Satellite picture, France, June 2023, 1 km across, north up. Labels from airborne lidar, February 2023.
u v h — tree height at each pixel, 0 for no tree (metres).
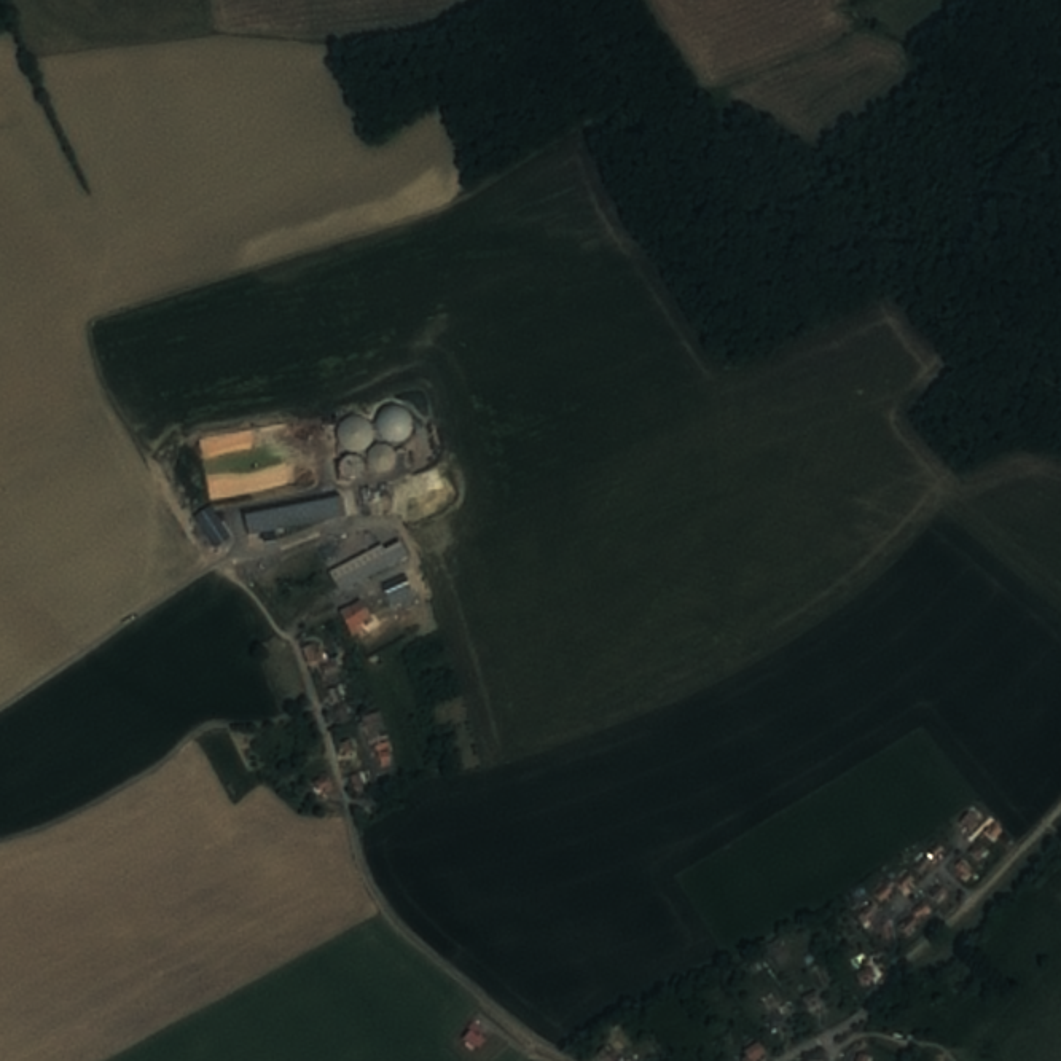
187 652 0
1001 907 16
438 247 0
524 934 0
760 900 0
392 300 0
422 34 21
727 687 0
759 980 0
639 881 0
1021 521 0
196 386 0
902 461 0
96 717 0
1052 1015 0
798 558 0
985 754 0
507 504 0
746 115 22
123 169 0
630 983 0
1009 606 0
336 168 0
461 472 0
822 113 0
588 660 0
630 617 0
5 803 0
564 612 0
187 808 0
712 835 0
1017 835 0
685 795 0
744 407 0
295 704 14
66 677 0
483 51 20
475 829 0
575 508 0
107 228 0
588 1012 0
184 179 0
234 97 0
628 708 0
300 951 0
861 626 0
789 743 0
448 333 0
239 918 0
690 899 0
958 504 0
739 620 0
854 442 0
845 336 0
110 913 0
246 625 0
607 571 0
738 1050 0
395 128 19
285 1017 0
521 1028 0
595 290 0
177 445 0
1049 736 0
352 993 0
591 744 0
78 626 0
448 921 0
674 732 0
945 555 0
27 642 0
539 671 0
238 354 0
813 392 0
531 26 23
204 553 0
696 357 0
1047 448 16
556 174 0
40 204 0
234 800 0
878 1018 8
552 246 0
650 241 16
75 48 0
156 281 0
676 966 0
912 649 0
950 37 26
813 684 0
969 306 18
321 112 0
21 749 0
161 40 0
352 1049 0
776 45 0
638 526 0
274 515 0
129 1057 0
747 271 26
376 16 0
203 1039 0
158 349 0
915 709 0
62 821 0
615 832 0
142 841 0
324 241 0
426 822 0
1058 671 0
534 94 21
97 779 0
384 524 0
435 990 0
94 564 0
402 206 0
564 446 0
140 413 0
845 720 0
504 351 0
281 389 0
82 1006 0
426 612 0
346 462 0
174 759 0
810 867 0
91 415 0
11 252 0
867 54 0
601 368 0
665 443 0
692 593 0
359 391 0
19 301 0
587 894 0
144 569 0
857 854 0
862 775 0
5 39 0
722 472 0
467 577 0
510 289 0
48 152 0
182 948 0
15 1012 0
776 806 0
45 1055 0
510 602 0
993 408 22
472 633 0
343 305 0
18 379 0
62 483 0
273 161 0
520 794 0
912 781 0
